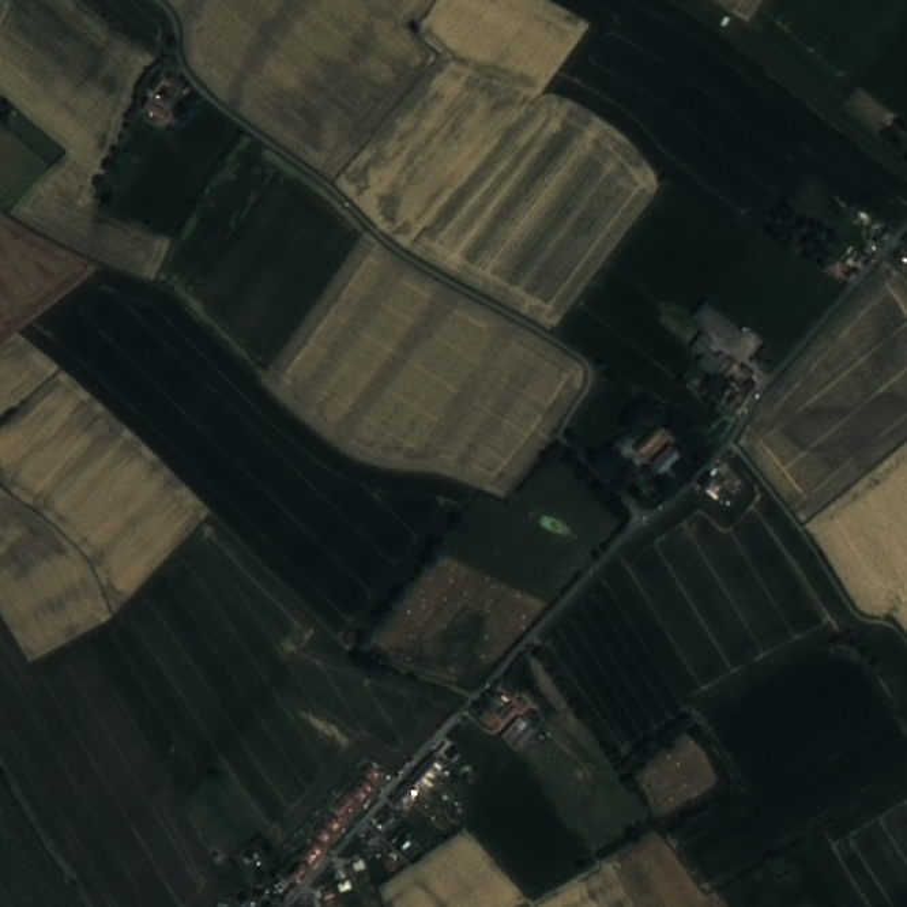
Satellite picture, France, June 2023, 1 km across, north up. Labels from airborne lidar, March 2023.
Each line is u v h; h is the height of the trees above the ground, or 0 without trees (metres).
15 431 0
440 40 0
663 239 0
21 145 0
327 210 0
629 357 0
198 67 0
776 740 0
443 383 0
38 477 0
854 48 0
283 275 0
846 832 0
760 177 0
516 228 0
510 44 0
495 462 0
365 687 0
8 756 0
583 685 0
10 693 0
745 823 0
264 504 0
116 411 0
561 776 0
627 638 0
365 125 0
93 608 0
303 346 0
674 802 0
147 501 0
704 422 0
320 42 0
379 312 0
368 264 0
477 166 0
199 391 0
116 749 0
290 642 0
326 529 0
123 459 0
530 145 0
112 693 0
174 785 0
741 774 0
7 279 0
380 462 0
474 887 0
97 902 0
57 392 0
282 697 0
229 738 0
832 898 0
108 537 0
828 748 0
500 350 0
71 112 0
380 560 0
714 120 0
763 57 0
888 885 0
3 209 0
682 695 0
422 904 0
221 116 0
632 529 0
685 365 0
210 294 0
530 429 0
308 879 0
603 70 0
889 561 0
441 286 0
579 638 0
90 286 0
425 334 0
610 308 0
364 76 0
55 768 0
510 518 0
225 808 0
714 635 0
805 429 0
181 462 0
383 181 0
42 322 0
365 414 0
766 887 0
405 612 0
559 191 0
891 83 0
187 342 0
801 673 0
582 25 0
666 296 0
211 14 0
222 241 0
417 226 0
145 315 0
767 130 0
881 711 0
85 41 0
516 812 0
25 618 0
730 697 0
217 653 0
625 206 0
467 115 0
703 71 0
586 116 0
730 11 0
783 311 0
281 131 0
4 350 0
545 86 0
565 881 0
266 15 0
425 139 0
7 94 0
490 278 0
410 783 0
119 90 0
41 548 0
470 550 0
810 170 0
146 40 0
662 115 0
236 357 0
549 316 0
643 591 0
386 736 0
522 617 0
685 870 0
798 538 0
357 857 0
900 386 0
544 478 0
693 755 0
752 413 0
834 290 0
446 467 0
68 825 0
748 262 0
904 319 0
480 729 0
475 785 0
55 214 0
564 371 0
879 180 0
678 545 0
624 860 0
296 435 0
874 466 0
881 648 0
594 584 0
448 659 0
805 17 0
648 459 0
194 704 0
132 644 0
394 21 0
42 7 0
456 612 0
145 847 0
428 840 0
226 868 0
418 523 0
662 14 0
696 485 0
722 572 0
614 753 13
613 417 0
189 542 0
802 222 11
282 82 0
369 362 0
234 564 0
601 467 28
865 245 0
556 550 0
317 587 0
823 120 0
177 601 0
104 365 0
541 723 0
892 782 0
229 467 0
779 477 0
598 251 0
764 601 0
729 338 0
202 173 0
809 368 0
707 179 0
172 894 0
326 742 0
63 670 0
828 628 0
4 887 0
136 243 0
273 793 0
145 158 0
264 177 0
